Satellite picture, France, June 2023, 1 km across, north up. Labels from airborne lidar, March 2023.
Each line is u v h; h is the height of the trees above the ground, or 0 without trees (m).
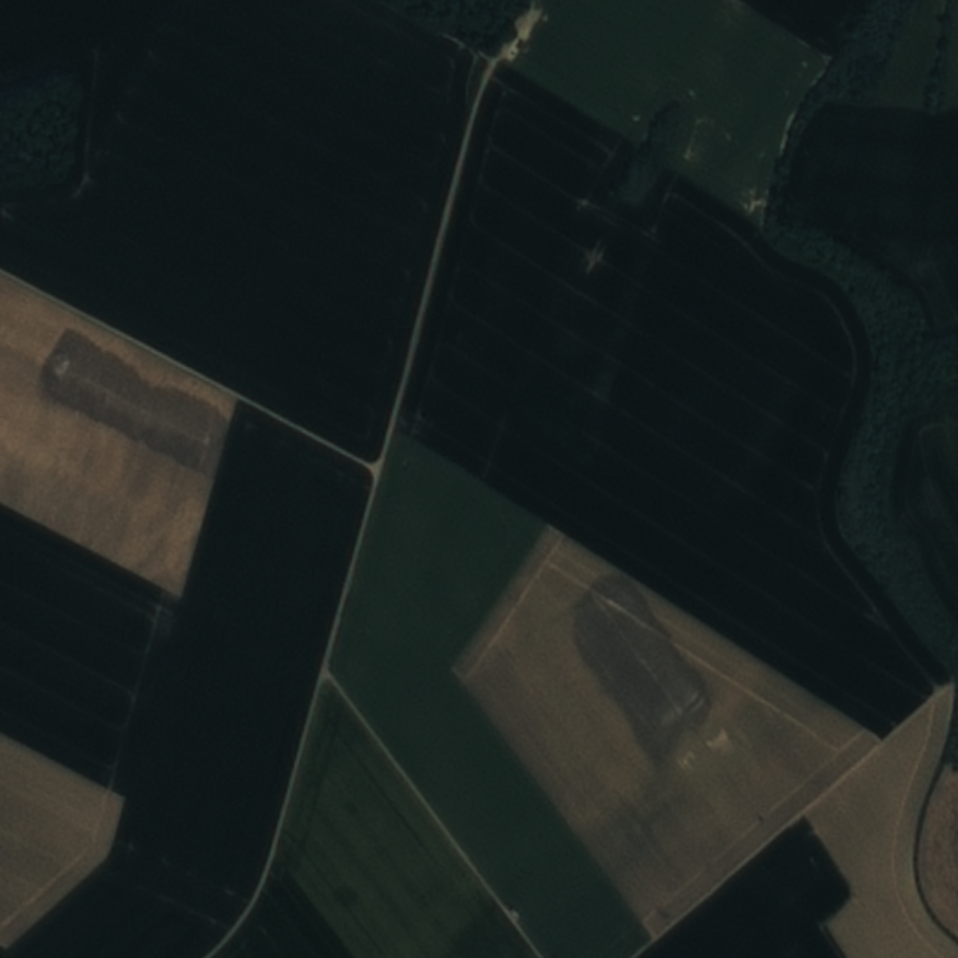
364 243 0
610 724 0
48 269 0
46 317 0
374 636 0
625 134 0
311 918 0
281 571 0
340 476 0
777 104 0
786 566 0
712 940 0
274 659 0
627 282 0
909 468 0
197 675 0
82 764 0
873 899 0
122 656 0
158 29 0
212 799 0
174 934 0
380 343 0
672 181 0
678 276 0
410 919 0
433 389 0
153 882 0
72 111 12
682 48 0
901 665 0
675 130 8
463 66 0
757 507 0
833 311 0
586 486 0
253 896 0
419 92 0
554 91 0
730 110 0
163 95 0
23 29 0
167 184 0
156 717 0
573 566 0
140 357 0
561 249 0
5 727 0
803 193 0
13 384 0
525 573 0
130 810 0
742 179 0
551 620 0
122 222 0
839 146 0
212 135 0
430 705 0
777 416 0
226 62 0
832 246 9
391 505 0
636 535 0
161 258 0
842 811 0
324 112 0
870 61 12
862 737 0
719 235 0
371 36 0
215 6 0
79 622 0
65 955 0
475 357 0
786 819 0
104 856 0
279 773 0
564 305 0
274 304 0
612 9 0
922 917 0
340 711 0
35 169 18
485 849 0
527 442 0
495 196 0
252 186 0
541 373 0
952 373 14
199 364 0
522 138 0
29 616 0
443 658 0
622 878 0
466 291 0
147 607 0
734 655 0
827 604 0
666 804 0
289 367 0
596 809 0
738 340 0
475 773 0
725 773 0
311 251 0
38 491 0
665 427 0
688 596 0
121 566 0
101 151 0
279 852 0
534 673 0
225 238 0
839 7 0
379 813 0
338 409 0
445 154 0
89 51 0
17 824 0
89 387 0
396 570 0
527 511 0
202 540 0
